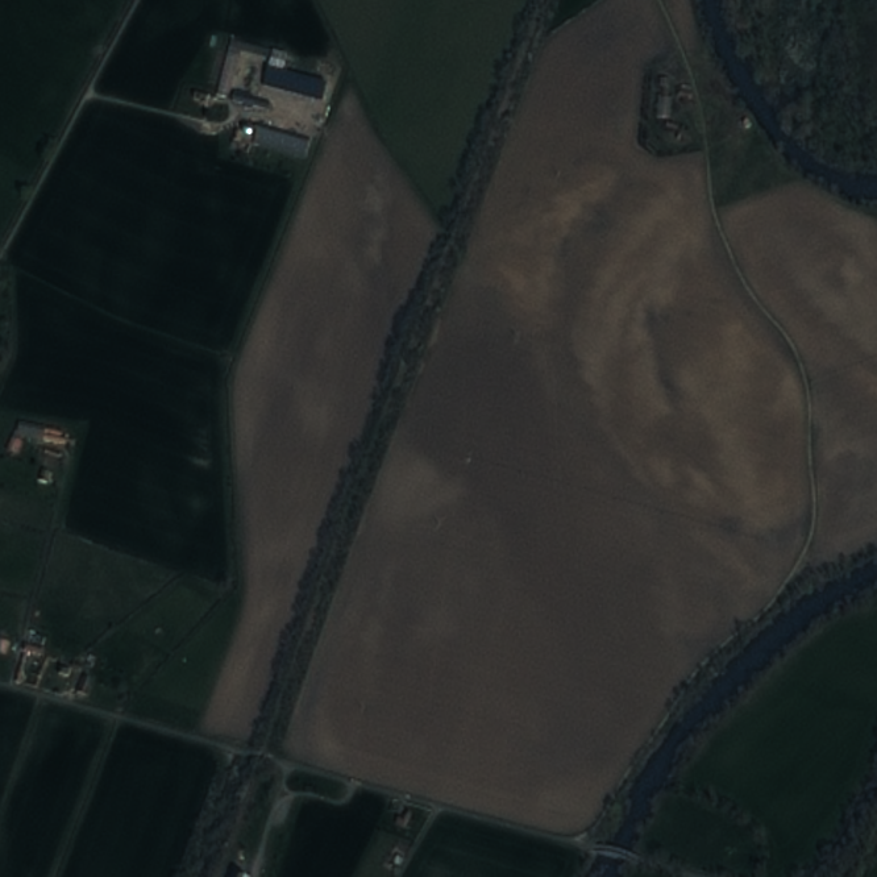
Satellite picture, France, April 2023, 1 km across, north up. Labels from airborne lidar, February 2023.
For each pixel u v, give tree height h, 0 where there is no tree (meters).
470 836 0
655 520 0
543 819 0
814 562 0
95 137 0
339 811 0
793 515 0
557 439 0
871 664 0
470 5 0
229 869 0
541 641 0
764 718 0
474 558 0
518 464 0
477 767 0
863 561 12
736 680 0
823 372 0
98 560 0
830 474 0
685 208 0
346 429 0
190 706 0
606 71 0
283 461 0
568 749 0
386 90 0
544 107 0
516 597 0
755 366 0
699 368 0
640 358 0
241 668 0
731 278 0
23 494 0
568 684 0
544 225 0
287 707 12
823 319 0
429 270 14
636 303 0
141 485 0
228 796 8
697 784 0
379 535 0
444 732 0
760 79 32
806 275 0
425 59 0
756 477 0
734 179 0
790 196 0
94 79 0
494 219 0
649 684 0
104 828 0
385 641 0
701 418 0
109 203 0
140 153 0
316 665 0
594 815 0
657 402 0
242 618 0
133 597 0
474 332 0
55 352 0
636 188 0
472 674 0
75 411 0
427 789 0
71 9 0
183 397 0
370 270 0
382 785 0
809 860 0
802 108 22
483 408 0
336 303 0
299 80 0
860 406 0
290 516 0
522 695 0
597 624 0
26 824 0
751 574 0
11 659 0
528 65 7
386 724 0
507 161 0
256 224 0
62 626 0
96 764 0
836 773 0
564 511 0
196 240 0
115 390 0
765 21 19
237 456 0
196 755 0
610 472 0
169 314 0
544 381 0
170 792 0
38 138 0
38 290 0
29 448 0
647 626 0
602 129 0
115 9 0
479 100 0
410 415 0
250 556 0
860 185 0
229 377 0
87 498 0
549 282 0
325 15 0
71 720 0
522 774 0
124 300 0
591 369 0
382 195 0
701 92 0
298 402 0
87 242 0
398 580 0
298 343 0
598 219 0
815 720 0
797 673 0
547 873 0
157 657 0
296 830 0
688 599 0
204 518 0
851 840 17
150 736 0
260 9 0
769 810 0
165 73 0
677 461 0
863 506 0
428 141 0
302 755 0
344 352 0
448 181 0
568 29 0
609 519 0
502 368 0
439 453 0
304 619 11
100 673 0
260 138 0
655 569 0
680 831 0
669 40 0
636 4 0
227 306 0
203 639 0
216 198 0
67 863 0
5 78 0
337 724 0
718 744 0
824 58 15
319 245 0
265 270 0
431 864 0
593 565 0
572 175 0
